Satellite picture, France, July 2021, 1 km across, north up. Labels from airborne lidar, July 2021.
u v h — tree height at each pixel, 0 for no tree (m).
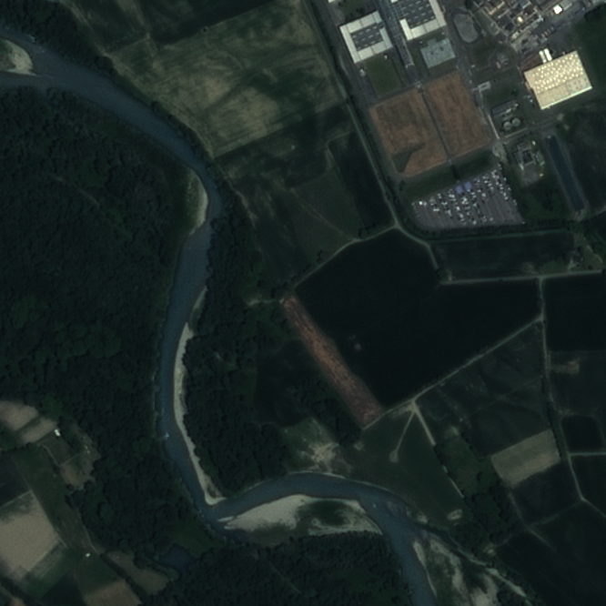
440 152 0
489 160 0
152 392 15
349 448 12
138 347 21
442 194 0
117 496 20
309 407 15
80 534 0
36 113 22
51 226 10
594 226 13
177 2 0
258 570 17
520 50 0
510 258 0
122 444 21
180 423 0
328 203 0
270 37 0
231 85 0
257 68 0
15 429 0
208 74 0
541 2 0
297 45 0
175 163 9
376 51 0
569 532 0
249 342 7
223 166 0
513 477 0
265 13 0
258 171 0
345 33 0
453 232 8
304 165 0
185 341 0
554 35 0
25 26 12
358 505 0
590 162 0
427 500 0
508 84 0
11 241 16
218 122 0
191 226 0
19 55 0
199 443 28
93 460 0
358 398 0
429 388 11
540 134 0
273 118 0
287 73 0
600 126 0
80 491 8
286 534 0
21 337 18
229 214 20
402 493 0
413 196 0
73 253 17
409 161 0
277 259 0
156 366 14
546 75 0
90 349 29
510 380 0
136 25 0
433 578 0
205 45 0
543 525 0
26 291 19
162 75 0
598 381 0
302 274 9
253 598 7
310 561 23
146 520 17
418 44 0
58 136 29
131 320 20
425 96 0
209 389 12
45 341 22
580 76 0
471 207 0
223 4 0
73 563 0
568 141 0
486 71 0
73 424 6
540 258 0
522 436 0
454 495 0
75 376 18
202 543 0
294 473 0
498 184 0
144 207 27
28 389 16
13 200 18
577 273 0
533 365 0
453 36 0
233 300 30
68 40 27
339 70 8
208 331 33
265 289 23
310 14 0
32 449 17
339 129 0
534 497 0
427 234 7
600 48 0
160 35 0
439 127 0
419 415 0
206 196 0
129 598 0
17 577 0
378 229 21
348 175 0
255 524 0
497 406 0
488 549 0
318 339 0
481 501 25
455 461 0
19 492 0
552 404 11
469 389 0
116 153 25
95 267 20
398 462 0
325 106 0
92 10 0
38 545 0
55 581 0
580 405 0
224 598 6
